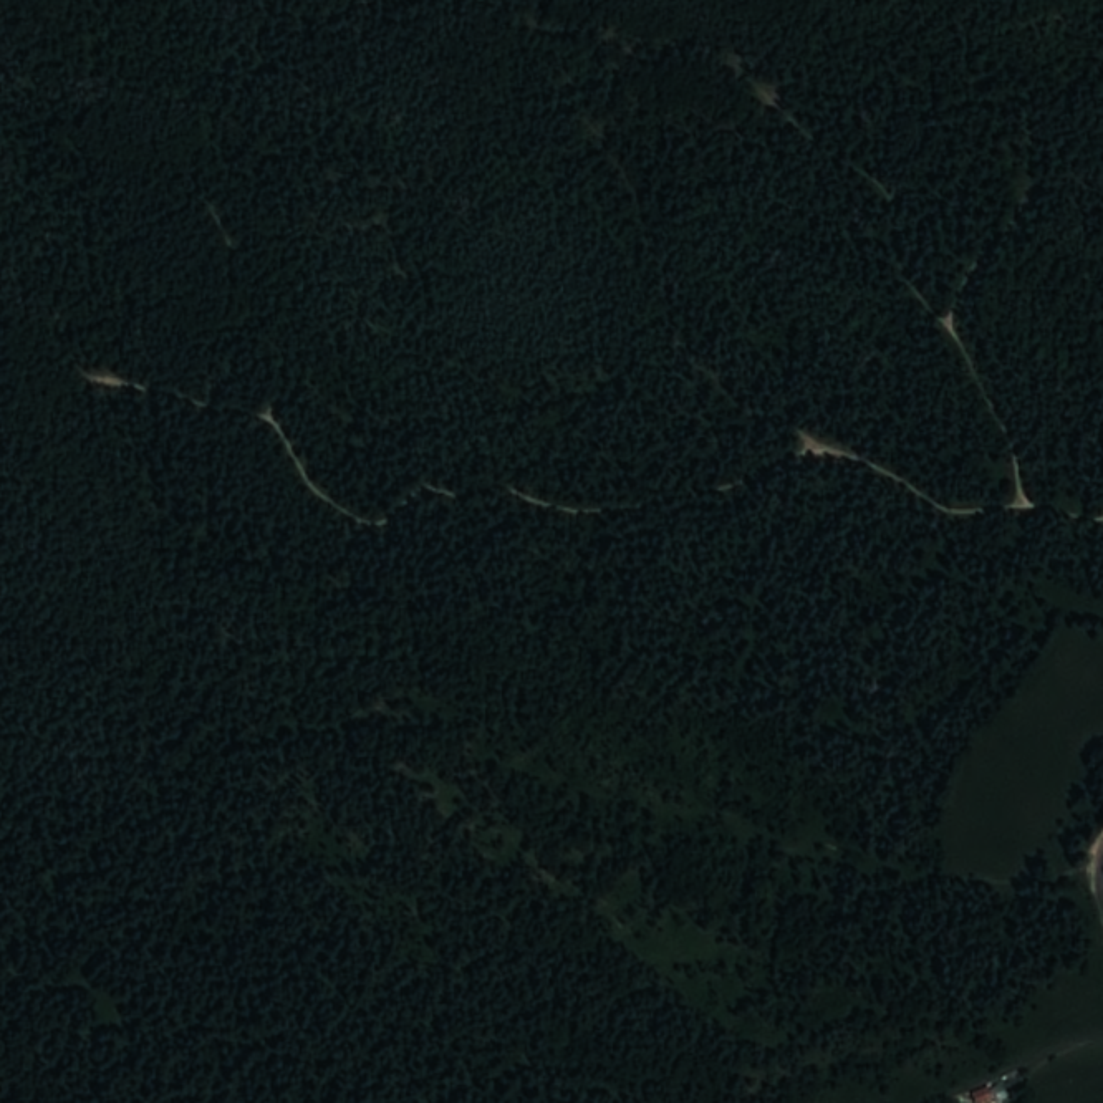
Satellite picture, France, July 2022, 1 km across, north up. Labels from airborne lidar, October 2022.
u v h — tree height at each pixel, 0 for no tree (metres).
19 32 22
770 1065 16
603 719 11
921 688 24
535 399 8
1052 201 18
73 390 23
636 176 8
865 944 11
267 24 21
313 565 16
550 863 15
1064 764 0
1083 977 12
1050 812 0
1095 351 19
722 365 10
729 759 9
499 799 8
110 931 24
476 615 20
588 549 18
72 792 25
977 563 26
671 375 26
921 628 23
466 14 26
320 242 19
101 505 19
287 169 26
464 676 18
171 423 25
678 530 24
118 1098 20
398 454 17
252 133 18
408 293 14
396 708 28
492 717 14
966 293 8
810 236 8
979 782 0
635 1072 15
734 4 18
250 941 28
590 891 24
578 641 11
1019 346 12
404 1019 20
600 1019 22
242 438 26
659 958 0
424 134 24
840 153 7
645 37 20
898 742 33
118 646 18
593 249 16
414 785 24
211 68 17
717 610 10
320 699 19
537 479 19
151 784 15
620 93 19
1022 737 0
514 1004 16
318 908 10
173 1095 23
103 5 22
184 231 24
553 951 14
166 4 21
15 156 27
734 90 24
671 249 21
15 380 24
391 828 17
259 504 25
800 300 17
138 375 17
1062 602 0
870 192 22
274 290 17
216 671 22
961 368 19
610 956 16
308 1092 13
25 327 23
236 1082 25
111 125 26
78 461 23
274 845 14
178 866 25
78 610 17
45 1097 22
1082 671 0
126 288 22
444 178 14
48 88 15
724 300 8
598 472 8
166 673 6
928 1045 15
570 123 29
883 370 32
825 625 31
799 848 0
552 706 12
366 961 10
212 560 16
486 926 27
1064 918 27
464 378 18
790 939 19
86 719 23
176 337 14
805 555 32
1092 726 0
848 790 11
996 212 9
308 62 22
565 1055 13
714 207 12
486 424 19
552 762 13
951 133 24
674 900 15
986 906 14
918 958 20
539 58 7
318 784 11
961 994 25
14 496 27
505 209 16
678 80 22
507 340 16
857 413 28
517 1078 30
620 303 18
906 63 24
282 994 28
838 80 16
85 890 32
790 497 18
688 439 24
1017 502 0
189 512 28
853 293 17
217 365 24
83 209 21
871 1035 14
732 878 16
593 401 12
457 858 19
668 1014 16
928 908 16
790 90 16
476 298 16
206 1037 28
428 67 24
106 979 21
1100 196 16
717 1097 15
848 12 22
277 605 22
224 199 20
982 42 14
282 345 17
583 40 24
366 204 20
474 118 14
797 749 7
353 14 27
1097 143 17
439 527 30
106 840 11
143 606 21
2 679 19
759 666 11
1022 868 0
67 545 20
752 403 14
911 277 22
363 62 10
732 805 10
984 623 11
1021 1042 0
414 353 19
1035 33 17
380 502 13
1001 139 19
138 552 25
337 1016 22
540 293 15
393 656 20
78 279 21
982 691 15
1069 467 8
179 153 23
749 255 20
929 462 7
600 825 19
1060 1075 0
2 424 22
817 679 7
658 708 10
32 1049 26
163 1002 26
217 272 24
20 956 27
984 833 0
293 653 22
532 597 15
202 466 24
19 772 26
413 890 21
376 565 28
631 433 23
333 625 23
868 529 12
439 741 17
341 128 27
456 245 20
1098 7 6
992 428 9
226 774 27
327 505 13
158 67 13
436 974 14
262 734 8
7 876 8
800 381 26
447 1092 22
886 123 7
